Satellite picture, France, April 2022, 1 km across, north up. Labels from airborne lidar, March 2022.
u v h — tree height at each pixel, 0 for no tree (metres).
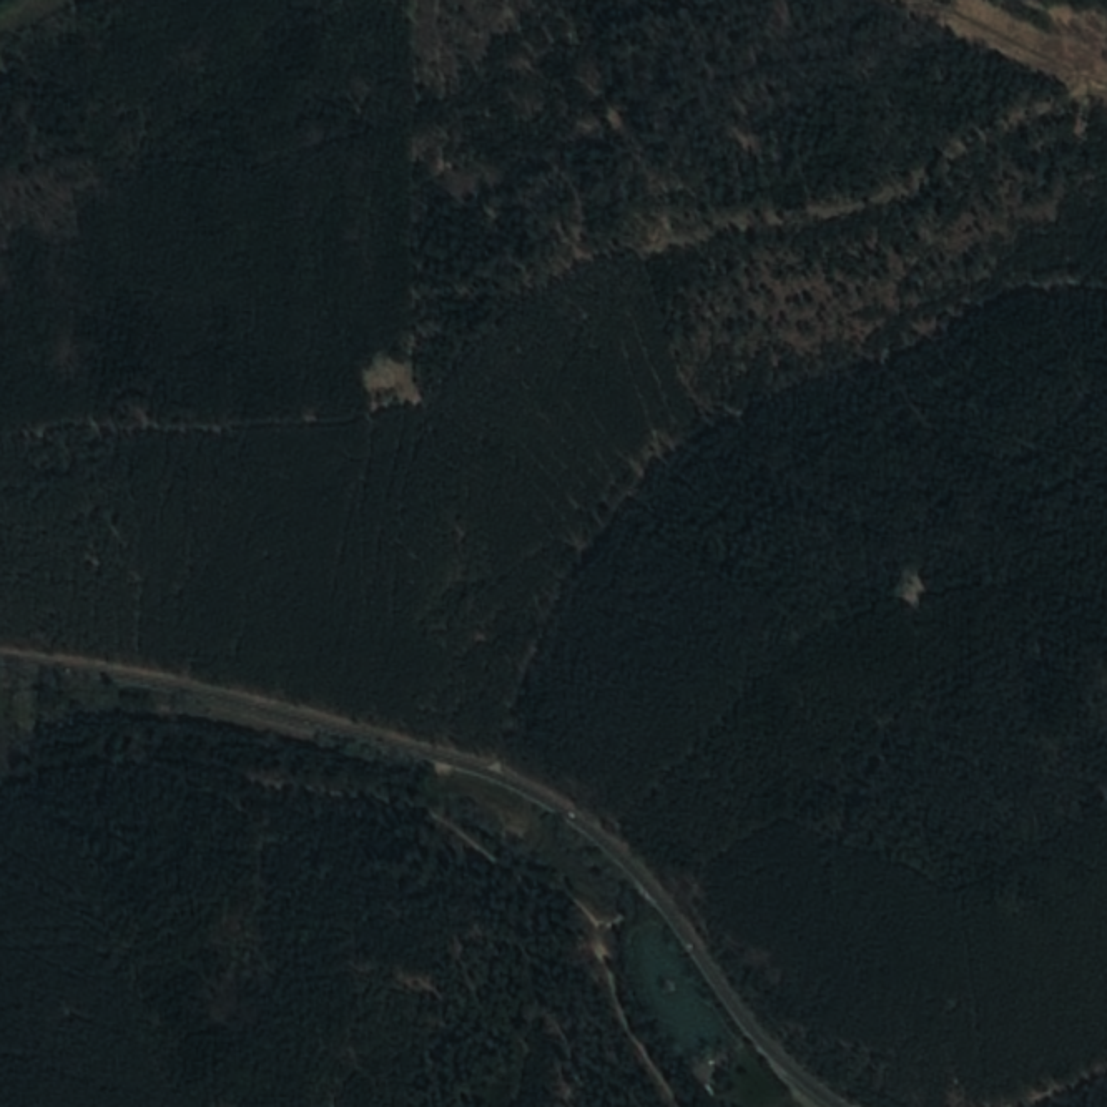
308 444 12
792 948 10
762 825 17
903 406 21
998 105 21
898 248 8
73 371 15
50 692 24
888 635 19
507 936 25
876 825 19
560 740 19
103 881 9
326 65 13
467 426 17
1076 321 16
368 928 11
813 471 17
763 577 18
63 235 16
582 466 18
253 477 16
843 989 11
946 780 20
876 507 19
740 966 14
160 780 15
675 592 18
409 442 14
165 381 13
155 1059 12
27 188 17
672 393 18
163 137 10
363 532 15
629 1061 24
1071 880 15
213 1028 12
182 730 20
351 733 0
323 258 13
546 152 8
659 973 0
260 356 12
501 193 12
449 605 13
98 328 16
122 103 8
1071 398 17
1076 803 19
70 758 28
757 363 8
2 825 15
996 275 10
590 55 7
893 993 15
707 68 28
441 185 6
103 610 16
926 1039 12
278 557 12
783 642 19
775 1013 13
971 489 23
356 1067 6
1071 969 19
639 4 13
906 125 22
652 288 17
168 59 11
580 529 20
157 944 7
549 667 21
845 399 17
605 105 10
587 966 28
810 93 28
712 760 17
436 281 15
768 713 14
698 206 23
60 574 16
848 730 17
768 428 16
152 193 14
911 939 15
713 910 10
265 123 11
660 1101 26
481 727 18
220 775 16
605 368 16
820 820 19
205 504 17
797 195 13
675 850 22
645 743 18
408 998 13
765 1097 0
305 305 11
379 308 11
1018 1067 19
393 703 17
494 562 18
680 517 22
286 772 31
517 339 17
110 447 14
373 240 13
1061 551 22
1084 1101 15
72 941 10
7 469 17
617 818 17
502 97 9
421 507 15
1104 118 9
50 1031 10
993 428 18
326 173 14
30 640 17
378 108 13
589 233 25
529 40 8
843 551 20
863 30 20
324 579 13
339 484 12
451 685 15
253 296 14
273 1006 13
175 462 15
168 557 13
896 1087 10
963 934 16
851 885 15
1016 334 18
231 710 0
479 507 17
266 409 13
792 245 28
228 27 12
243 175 12
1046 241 11
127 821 15
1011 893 17
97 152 8
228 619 15
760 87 27
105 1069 11
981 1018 17
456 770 0
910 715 19
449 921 10
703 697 18
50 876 13
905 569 19
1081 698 24
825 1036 10
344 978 6
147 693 10
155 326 16
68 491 18
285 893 13
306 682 15
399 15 12
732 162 26
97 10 9
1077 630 27
